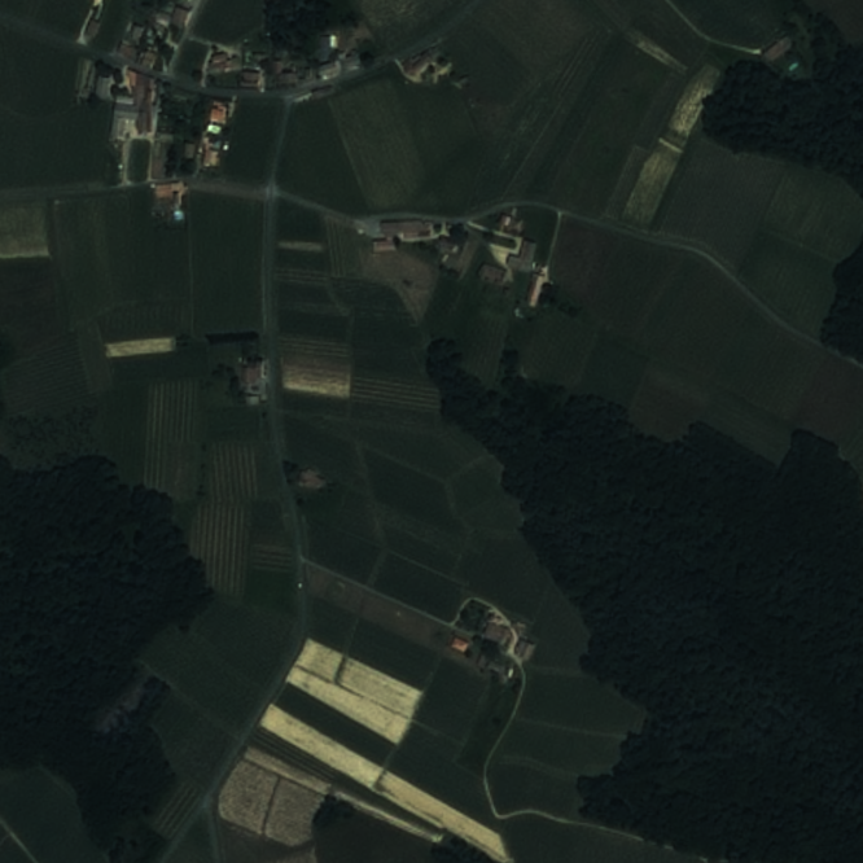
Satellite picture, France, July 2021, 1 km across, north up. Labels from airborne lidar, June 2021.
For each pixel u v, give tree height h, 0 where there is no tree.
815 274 0
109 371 0
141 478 0
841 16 0
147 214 0
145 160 0
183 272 0
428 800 0
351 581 0
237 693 0
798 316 0
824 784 21
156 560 26
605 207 0
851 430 0
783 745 12
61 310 0
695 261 0
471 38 0
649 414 0
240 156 0
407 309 0
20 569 17
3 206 0
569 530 16
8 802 0
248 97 0
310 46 8
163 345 0
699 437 10
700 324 0
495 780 0
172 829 0
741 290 0
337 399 0
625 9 0
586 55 0
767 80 25
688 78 0
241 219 0
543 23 0
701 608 24
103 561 18
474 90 0
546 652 0
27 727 19
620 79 0
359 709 0
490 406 16
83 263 0
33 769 10
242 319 0
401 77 0
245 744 0
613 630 14
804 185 0
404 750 0
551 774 0
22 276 0
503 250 0
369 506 0
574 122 0
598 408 15
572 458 19
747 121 20
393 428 0
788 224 0
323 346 0
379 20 0
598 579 15
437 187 0
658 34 0
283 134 0
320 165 0
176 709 0
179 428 0
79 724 19
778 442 0
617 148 0
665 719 13
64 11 0
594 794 17
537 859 0
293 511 0
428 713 0
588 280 0
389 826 0
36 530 19
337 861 0
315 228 0
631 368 0
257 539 0
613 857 0
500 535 0
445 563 0
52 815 0
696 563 26
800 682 19
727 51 0
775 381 0
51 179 0
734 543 21
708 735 15
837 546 11
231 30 0
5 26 0
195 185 0
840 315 13
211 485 0
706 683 13
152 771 23
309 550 0
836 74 16
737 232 0
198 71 9
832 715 18
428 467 0
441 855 16
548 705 0
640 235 0
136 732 16
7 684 23
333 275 0
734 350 0
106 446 0
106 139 0
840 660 17
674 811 20
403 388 0
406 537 0
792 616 24
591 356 0
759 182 0
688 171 0
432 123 0
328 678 0
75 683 20
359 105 0
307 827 0
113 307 0
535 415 7
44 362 0
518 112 0
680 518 23
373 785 0
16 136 0
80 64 0
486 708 0
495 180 0
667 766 27
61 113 0
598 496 25
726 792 23
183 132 7
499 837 0
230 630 0
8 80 0
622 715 0
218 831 0
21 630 22
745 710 8
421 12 0
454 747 0
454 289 0
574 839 0
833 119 18
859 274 16
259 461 0
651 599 23
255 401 0
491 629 0
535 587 0
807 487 12
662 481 20
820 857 22
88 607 16
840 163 18
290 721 0
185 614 16
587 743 0
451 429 0
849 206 0
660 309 0
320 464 0
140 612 22
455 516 0
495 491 0
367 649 0
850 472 15
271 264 0
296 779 0
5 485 15
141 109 0
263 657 0
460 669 0
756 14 0
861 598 22
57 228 0
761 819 17
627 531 22
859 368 0
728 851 12
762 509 19
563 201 0
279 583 0
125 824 18
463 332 0
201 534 0
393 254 0
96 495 29
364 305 0
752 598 27
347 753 0
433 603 0
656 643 24
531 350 0
